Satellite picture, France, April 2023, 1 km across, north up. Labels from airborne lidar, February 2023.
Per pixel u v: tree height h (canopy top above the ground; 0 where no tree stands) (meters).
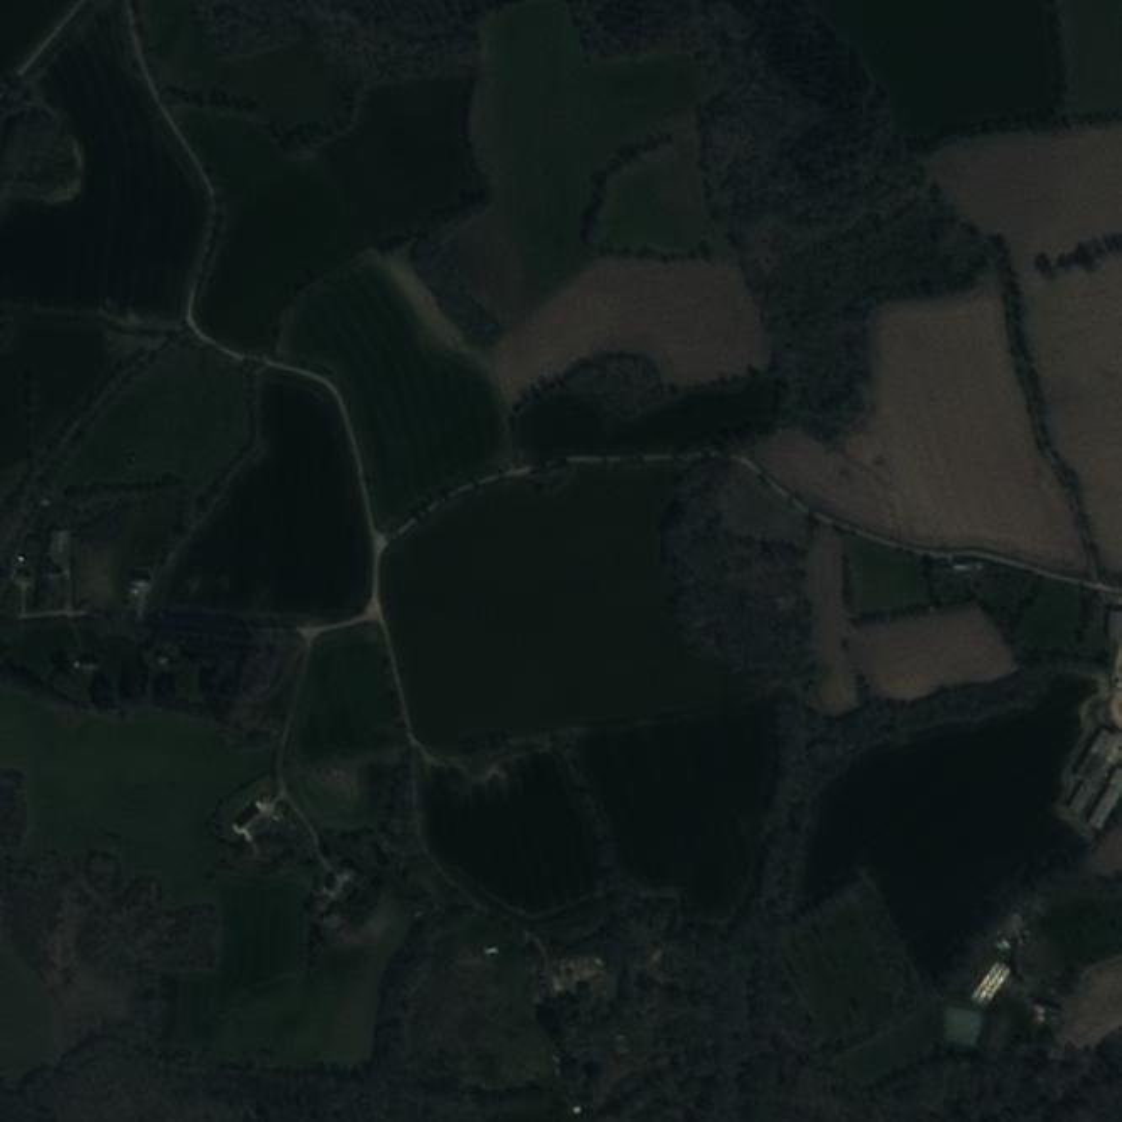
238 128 0
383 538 0
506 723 0
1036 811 0
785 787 21
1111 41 0
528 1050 0
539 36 0
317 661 0
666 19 17
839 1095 13
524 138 0
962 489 0
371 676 0
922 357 0
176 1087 6
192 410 0
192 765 0
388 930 0
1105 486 0
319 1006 0
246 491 0
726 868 0
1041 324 0
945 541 0
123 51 0
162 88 8
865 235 6
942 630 0
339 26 12
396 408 0
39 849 0
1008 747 0
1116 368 0
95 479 0
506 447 0
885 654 0
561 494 0
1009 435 0
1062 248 0
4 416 0
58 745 0
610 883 12
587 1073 12
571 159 0
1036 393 13
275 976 0
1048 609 0
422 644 0
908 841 0
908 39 0
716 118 19
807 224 14
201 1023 0
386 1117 17
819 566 0
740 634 20
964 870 0
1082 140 0
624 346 0
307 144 19
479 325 11
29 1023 0
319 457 0
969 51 0
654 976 0
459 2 14
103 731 0
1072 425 0
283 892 0
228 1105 12
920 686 0
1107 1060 19
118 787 0
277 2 16
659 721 0
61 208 0
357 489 0
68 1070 10
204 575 0
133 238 0
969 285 10
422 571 0
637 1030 0
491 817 0
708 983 7
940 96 0
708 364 0
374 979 0
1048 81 0
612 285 0
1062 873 19
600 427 0
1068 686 0
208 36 10
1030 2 0
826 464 0
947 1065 11
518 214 0
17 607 0
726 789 0
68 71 0
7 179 9
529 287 0
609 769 0
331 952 0
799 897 0
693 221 0
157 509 0
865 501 0
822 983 0
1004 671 0
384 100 0
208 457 0
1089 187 0
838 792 0
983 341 0
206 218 0
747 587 11
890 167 20
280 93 0
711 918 0
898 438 0
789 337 6
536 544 0
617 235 0
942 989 20
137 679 20
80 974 0
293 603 0
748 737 0
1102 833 8
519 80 0
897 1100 17
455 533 0
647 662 0
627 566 0
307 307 0
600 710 0
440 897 0
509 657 0
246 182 0
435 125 0
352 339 0
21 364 0
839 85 24
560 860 0
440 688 0
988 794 0
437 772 0
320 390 0
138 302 0
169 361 0
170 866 0
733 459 13
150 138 0
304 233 0
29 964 0
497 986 0
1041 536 0
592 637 0
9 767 0
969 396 0
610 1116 12
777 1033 15
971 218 0
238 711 9
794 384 12
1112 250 14
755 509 0
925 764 0
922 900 0
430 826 0
